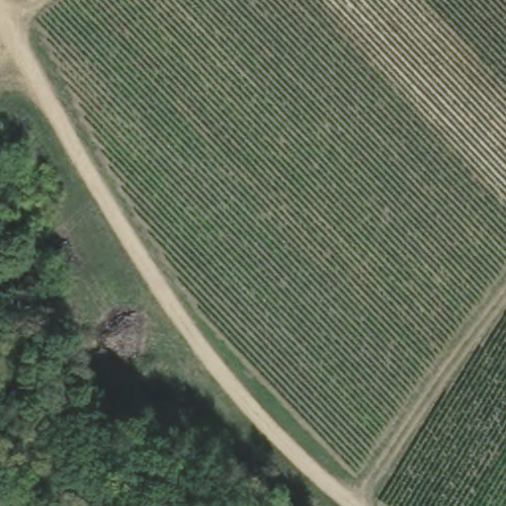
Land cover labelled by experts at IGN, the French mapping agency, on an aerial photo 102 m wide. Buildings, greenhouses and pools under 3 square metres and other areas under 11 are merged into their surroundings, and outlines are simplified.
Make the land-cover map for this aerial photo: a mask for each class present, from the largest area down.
<instances>
[{"label":"vineyard","instance_id":"1","mask_svg":"<svg viewBox=\"0 0 506 506\"><path fill-rule=\"evenodd\" d=\"M30 47L38 63L42 65L43 73L59 105L63 107L71 126L75 128V134L85 146L93 166L97 168L111 196L125 213L128 225L148 251L152 263L162 273L168 287L180 300L192 322L210 342L211 348L217 352L223 364L233 372V376L241 381V385L255 397V401L271 415V419L295 441L296 445L302 447L328 474H332L344 486H356L360 492H364L372 500L368 506H506V0H51L30 22Z\"/></svg>","mask_w":506,"mask_h":506},{"label":"deciduous trees","instance_id":"2","mask_svg":"<svg viewBox=\"0 0 506 506\"><path fill-rule=\"evenodd\" d=\"M28 132L24 130V125L8 117L6 113H0V506H289V490L295 488V482H281L265 474L259 468V461L251 453L229 443V433L221 431L206 411L180 417L174 411H166L162 419L156 421L154 411L148 407L144 409V415L140 419L115 423L109 415L101 413V399L105 391L93 387V372L89 370L91 348H81V334L73 336L75 322L67 312L69 306L65 298L73 293V275H67V269H71V265L59 253L63 239L55 231H51L63 210L57 204V200L63 192V186H55L59 180L57 174L47 166L45 154H40L36 160L30 156V146L26 140Z\"/></svg>","mask_w":506,"mask_h":506},{"label":"herbaceous vegetation","instance_id":"3","mask_svg":"<svg viewBox=\"0 0 506 506\"><path fill-rule=\"evenodd\" d=\"M0 113H6L8 117L24 125V130L28 132L26 140L30 146V156L36 160L40 154H45L47 166L57 174L59 180L55 186H63V192L57 200V204L63 210L51 231H55L63 239L59 253L71 265V269H67V275H73V293L65 298L69 306L67 312L75 322L73 336L81 334V348H91L89 370L93 372V387L105 391L101 399V413L109 415L115 423L140 419L144 415V409L148 407L154 411L156 421L162 419L166 411H174L180 417L206 411L221 431L229 433V443L251 453L259 461V468L265 474L281 482H295V488L289 490V506H338L326 492H322L314 482H310L295 464L291 463L247 419V415L235 405V401L223 391L217 379L211 376L202 360L194 354L182 332L174 326L158 298L152 295L150 287L142 279L132 259L128 257L121 239L107 221L103 210L99 208L97 200L91 196L77 168L69 160L61 140L57 138L53 126L49 125L42 109L20 91H0Z\"/></svg>","mask_w":506,"mask_h":506},{"label":"pervious surface","instance_id":"4","mask_svg":"<svg viewBox=\"0 0 506 506\"><path fill-rule=\"evenodd\" d=\"M51 0H0V91H20L42 109L49 125L53 126L57 138L61 140L69 160L77 168L91 196L97 200L99 208L103 210L107 221L121 239L128 257L132 259L142 279L150 287L152 295L158 298L174 326L182 332L194 354L202 360L211 376L217 379L223 391L235 401V405L247 415V419L291 463L295 464L310 482H314L322 492H326L338 506H368L372 500L364 492H360L356 486H344L332 474H328L302 447L296 445L295 441L271 419V415L255 401V397L241 385V381L233 376V372L223 364L217 352L211 348L210 342L192 322L180 300L168 287L162 273L152 263L148 251L128 225L125 213L111 196L97 168L93 166L85 146L75 134V128L71 126L63 107L59 105L43 73L42 65L38 63L30 47V22Z\"/></svg>","mask_w":506,"mask_h":506}]
</instances>
